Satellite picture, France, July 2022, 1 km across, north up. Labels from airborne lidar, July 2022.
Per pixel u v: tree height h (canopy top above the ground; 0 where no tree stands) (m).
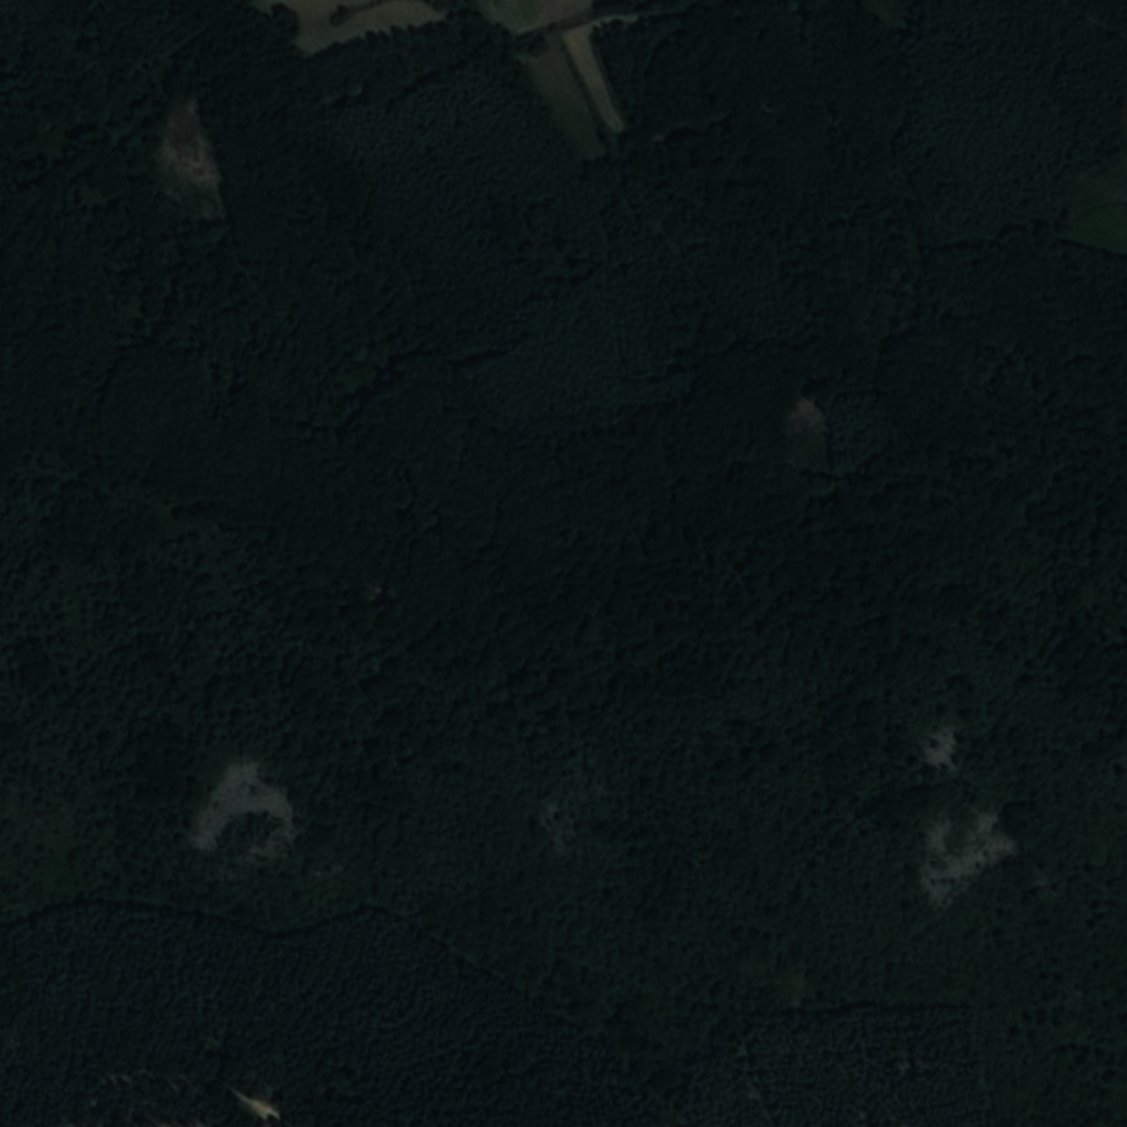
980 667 10
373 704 13
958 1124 21
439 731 10
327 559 26
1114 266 17
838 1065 20
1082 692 16
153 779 15
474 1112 23
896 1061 18
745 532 16
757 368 32
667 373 13
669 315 13
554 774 11
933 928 8
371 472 22
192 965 23
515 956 12
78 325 18
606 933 10
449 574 25
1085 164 21
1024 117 20
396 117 22
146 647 13
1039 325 24
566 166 18
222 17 17
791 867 6
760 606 18
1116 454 9
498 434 23
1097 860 15
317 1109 18
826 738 18
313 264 21
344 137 20
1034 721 12
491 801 8
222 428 26
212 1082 23
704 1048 8
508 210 22
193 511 15
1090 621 24
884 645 18
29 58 18
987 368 13
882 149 21
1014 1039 8
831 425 13
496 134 21
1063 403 11
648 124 19
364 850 9
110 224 14
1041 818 9
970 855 0
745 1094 23
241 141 18
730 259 14
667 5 19
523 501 26
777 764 12
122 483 10
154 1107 17
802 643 15
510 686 8
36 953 17
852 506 18
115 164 17
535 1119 21
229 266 17
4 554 11
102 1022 20
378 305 19
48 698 9
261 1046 23
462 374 18
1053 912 12
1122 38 16
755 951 12
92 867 8
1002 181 16
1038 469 16
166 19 18
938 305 9
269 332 17
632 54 18
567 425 17
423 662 10
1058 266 18
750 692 9
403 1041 19
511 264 21
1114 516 16
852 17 27
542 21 0
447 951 20
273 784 8
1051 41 23
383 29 0
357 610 18
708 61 27
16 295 12
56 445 14
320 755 16
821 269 16
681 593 20
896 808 21
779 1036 16
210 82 13
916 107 14
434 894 9
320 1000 21
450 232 21
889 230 14
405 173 19
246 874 8
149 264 14
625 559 25
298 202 21
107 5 15
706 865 12
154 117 15
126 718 9
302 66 19
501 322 14
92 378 16
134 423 24
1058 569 11
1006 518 11
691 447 26
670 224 14
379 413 28
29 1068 14
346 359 20
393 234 21
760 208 17
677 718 11
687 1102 21
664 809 12
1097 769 8
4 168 16
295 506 29
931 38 23
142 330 18
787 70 27
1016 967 8
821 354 23
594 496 32
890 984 9
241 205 19
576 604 21
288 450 32
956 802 8
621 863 9
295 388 21
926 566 11
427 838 11
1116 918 11
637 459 28
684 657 21
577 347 19
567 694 9
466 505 27
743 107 22
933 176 17
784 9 23
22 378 17
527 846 11
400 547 21
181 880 8
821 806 9
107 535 14
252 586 9
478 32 18
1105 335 26
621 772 10
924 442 17
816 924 6
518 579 24
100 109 22
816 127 21
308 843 11
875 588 20
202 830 0
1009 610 19
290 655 11
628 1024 14
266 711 6
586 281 20
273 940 22
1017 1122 8
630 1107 20
